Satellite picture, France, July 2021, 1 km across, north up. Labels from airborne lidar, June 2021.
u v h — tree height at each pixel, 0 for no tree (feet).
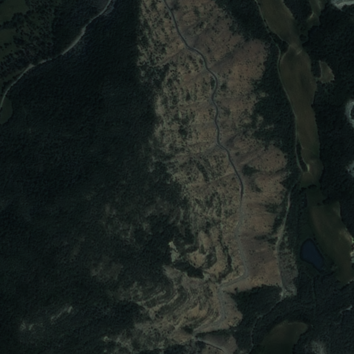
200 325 0
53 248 30
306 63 0
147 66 23
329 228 0
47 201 46
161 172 22
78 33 28
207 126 0
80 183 27
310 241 0
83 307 26
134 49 36
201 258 0
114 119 24
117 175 29
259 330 25
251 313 30
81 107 36
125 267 21
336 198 59
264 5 0
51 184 34
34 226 37
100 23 43
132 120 23
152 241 39
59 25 70
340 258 0
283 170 19
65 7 33
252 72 0
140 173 23
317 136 0
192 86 0
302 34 30
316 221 0
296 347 48
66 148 30
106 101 22
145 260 29
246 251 0
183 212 0
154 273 22
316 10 0
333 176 75
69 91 39
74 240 23
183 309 0
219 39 0
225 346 0
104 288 31
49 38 61
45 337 25
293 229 31
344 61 22
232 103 0
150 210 0
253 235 0
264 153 0
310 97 0
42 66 46
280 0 0
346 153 45
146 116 35
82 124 19
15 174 40
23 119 32
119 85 20
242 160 0
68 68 43
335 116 48
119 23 50
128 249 25
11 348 59
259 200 0
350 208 59
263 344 0
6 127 33
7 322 58
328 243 0
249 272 0
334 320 31
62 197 28
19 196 21
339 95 52
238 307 21
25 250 25
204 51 0
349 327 27
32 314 27
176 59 0
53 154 47
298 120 0
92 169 21
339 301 49
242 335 27
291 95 0
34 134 35
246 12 39
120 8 44
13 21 32
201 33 0
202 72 0
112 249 21
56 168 28
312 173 0
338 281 40
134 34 28
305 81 0
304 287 37
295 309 28
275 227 22
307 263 0
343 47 29
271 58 28
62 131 20
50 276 47
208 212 0
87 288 64
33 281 35
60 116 40
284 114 35
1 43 0
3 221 35
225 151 0
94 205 19
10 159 26
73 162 31
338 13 54
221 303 0
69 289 41
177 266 19
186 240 29
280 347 0
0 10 0
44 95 25
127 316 45
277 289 26
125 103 24
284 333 0
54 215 23
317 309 35
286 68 0
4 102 0
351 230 42
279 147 20
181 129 21
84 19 33
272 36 38
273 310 38
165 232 38
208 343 0
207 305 0
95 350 35
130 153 20
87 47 34
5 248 31
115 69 48
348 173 49
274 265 0
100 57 71
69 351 48
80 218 26
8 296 42
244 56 0
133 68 31
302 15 49
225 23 0
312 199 0
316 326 29
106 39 54
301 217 36
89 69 50
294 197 44
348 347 23
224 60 0
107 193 24
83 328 26
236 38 0
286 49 30
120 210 25
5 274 28
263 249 0
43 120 31
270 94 32
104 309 27
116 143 30
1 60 0
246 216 0
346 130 54
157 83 20
